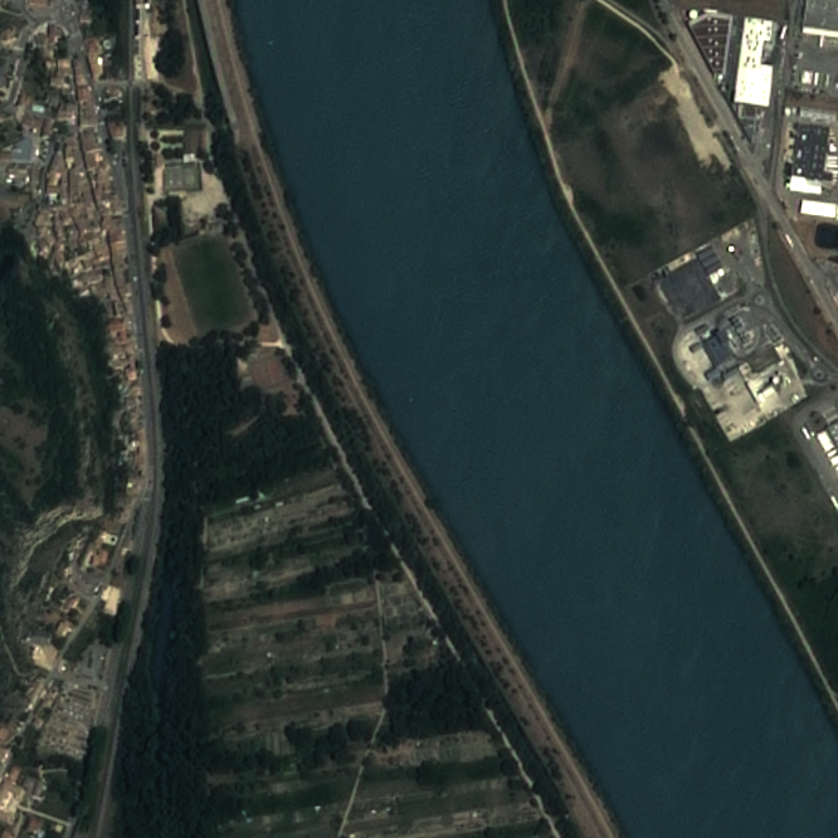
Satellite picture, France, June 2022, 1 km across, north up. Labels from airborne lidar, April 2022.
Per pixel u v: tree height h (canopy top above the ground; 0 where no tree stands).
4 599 7
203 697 20
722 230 0
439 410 0
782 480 0
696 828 0
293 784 0
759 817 0
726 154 0
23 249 9
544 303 0
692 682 0
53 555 0
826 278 0
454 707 11
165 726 17
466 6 0
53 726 0
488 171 0
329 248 0
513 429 0
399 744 10
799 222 0
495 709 11
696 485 0
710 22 0
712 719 0
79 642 0
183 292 0
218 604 6
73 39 0
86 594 0
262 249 23
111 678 0
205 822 20
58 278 8
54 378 8
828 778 0
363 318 0
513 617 0
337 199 0
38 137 0
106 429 9
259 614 0
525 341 0
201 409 18
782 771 0
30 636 0
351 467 14
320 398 9
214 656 0
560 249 0
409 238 0
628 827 0
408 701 11
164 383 8
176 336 0
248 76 0
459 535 0
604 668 0
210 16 0
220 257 0
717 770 0
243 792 15
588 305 0
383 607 0
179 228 12
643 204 0
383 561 19
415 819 0
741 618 0
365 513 14
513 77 7
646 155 0
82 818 21
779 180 0
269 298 7
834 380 0
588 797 0
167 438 17
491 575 0
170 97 17
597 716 0
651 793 0
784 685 0
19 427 0
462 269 0
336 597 0
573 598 0
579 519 0
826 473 0
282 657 0
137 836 29
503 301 0
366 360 0
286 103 0
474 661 14
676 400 0
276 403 15
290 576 0
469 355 0
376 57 0
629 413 0
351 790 0
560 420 0
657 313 0
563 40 0
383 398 0
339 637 0
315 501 0
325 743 10
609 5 0
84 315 9
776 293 0
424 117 0
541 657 0
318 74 0
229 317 0
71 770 11
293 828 0
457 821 0
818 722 0
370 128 0
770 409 0
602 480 0
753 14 0
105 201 0
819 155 0
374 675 8
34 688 0
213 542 0
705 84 0
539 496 0
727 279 0
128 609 23
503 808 0
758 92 0
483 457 0
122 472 8
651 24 0
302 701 0
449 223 0
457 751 0
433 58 0
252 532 0
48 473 7
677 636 0
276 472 13
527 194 0
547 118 0
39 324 10
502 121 0
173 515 19
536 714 0
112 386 6
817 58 0
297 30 0
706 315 0
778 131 0
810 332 0
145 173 16
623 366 0
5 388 7
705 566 0
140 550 0
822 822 0
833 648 6
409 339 0
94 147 0
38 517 8
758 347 0
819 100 0
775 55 0
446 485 0
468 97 0
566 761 0
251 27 0
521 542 0
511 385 0
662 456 0
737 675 0
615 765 0
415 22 0
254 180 7
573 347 0
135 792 23
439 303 0
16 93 0
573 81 0
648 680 0
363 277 0
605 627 0
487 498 0
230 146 22
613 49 0
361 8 0
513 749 8
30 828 0
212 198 0
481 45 0
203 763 23
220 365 19
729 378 0
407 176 0
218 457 7
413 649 14
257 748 8
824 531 0
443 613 16
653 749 0
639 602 0
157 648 0
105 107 8
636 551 0
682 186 0
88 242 0
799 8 0
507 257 0
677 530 0
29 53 8
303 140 0
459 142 0
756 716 0
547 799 12
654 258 0
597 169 0
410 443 0
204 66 0
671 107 0
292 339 17
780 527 0
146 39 0
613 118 0
